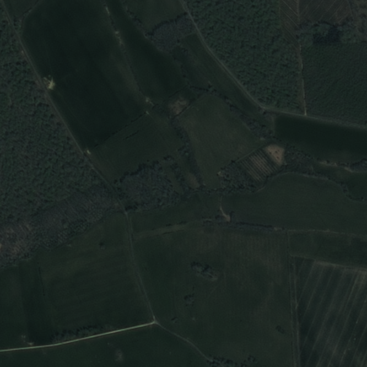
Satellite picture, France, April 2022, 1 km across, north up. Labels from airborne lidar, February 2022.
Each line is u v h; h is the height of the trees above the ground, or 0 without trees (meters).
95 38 0
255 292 0
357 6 28
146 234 0
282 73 25
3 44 26
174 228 0
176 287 0
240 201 0
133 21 0
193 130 0
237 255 0
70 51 0
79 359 0
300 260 0
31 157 25
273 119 15
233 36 26
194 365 0
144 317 0
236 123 0
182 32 19
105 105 0
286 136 0
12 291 0
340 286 0
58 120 22
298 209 0
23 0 0
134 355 0
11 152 21
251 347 0
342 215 0
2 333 0
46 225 20
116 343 0
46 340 0
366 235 0
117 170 0
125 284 0
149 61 0
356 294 0
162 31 23
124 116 0
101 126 0
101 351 0
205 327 0
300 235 0
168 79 0
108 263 0
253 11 27
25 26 0
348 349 0
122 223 0
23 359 0
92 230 0
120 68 0
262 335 0
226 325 0
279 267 0
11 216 14
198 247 0
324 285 0
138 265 0
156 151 0
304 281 0
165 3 0
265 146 0
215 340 0
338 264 0
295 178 0
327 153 0
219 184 0
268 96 24
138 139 0
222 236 0
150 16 0
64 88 0
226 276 0
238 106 0
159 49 18
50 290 0
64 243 12
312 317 0
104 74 0
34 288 0
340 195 0
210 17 26
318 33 20
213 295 0
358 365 0
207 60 0
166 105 0
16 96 26
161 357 0
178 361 0
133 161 0
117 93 0
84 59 0
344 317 0
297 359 0
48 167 28
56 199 27
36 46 0
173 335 0
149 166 0
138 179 23
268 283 0
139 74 0
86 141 0
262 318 0
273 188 0
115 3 0
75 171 28
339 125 0
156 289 0
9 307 0
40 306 0
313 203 0
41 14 0
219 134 0
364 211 0
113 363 0
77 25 0
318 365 0
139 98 0
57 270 0
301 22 0
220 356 0
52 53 0
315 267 0
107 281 0
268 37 26
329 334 0
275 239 0
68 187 23
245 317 0
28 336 0
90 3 0
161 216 0
